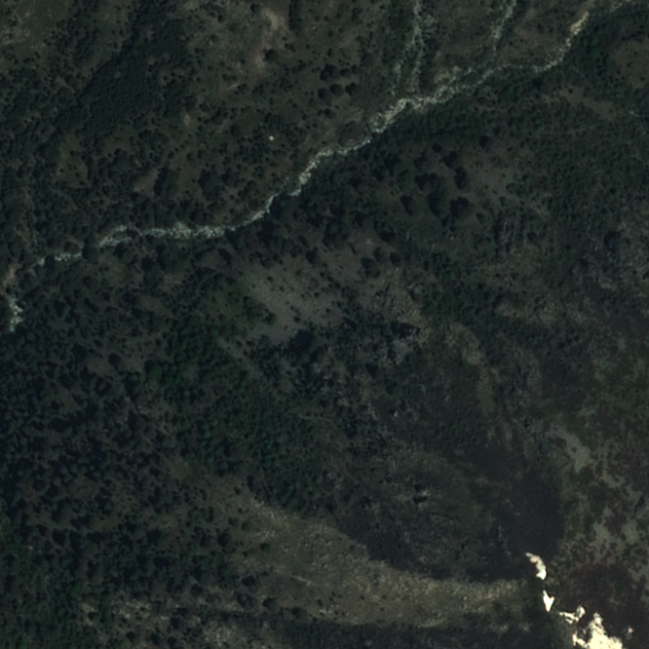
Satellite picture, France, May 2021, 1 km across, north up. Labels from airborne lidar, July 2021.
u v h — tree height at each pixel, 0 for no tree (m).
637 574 0
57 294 8
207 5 7
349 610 0
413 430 6
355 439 19
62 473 37
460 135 14
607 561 10
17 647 7
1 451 12
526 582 0
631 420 0
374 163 10
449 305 5
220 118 14
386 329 16
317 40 0
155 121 15
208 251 8
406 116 7
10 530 12
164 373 10
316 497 12
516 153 7
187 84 17
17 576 13
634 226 7
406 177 18
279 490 8
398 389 18
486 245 16
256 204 10
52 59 9
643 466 6
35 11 0
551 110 11
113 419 17
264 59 7
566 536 0
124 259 23
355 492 8
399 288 0
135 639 26
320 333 7
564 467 0
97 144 16
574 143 10
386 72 7
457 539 0
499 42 6
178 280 0
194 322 14
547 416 0
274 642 0
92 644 7
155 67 19
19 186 17
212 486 6
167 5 12
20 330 14
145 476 21
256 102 7
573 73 9
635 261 0
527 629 0
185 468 0
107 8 0
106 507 31
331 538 0
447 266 16
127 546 14
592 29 7
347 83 0
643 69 0
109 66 12
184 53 17
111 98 15
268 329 0
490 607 0
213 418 11
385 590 0
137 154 10
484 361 7
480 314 9
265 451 14
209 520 9
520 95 8
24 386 20
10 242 15
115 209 18
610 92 8
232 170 12
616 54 0
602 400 0
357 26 0
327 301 0
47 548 13
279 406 8
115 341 15
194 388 12
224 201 11
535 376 0
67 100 15
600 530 0
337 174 10
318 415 10
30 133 16
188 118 0
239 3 9
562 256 9
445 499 0
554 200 12
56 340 14
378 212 14
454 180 0
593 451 0
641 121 6
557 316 0
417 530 10
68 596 14
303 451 8
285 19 0
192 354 15
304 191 11
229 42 0
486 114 12
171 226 23
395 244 33
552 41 0
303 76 0
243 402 8
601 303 7
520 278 12
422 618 0
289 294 0
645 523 0
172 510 19
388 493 0
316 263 25
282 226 7
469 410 8
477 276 10
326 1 0
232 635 0
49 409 11
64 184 11
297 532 0
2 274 29
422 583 0
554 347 7
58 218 15
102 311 40
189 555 14
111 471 34
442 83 10
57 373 12
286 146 14
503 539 0
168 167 7
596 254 7
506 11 9
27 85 14
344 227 29
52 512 7
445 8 0
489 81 8
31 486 33
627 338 0
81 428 32
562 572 0
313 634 8
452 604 0
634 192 14
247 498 0
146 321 31
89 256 24
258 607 28
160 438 6
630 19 8
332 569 0
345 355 7
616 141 10
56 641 12
